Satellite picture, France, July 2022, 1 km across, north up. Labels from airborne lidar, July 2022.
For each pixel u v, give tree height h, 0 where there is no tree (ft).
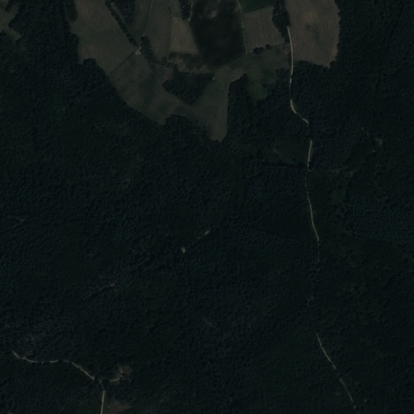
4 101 64
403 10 89
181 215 70
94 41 0
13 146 53
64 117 37
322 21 0
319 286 59
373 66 57
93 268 59
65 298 72
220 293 69
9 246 40
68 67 24
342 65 50
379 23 32
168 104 0
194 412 46
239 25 0
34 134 74
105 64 0
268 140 71
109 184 33
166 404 40
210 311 43
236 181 39
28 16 87
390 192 72
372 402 49
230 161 40
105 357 33
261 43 0
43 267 54
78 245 76
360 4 62
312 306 31
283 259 36
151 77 0
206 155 38
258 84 0
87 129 43
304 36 0
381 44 47
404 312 76
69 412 30
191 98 40
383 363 66
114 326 102
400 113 84
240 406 73
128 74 0
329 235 20
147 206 53
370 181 72
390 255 71
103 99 45
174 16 0
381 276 61
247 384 43
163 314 101
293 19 0
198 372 56
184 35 0
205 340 31
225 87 0
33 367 54
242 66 0
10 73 20
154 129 53
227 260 31
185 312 81
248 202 55
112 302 66
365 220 76
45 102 49
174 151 72
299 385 61
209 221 53
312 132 79
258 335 52
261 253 44
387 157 55
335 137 92
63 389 34
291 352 37
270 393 34
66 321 92
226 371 72
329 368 26
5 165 55
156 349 85
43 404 51
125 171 20
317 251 65
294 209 27
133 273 79
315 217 21
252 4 0
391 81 73
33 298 24
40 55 45
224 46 0
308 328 41
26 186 60
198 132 32
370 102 80
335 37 0
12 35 0
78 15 0
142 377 65
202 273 60
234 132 35
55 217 54
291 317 49
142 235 67
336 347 26
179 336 23
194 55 0
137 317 84
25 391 56
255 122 55
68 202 58
